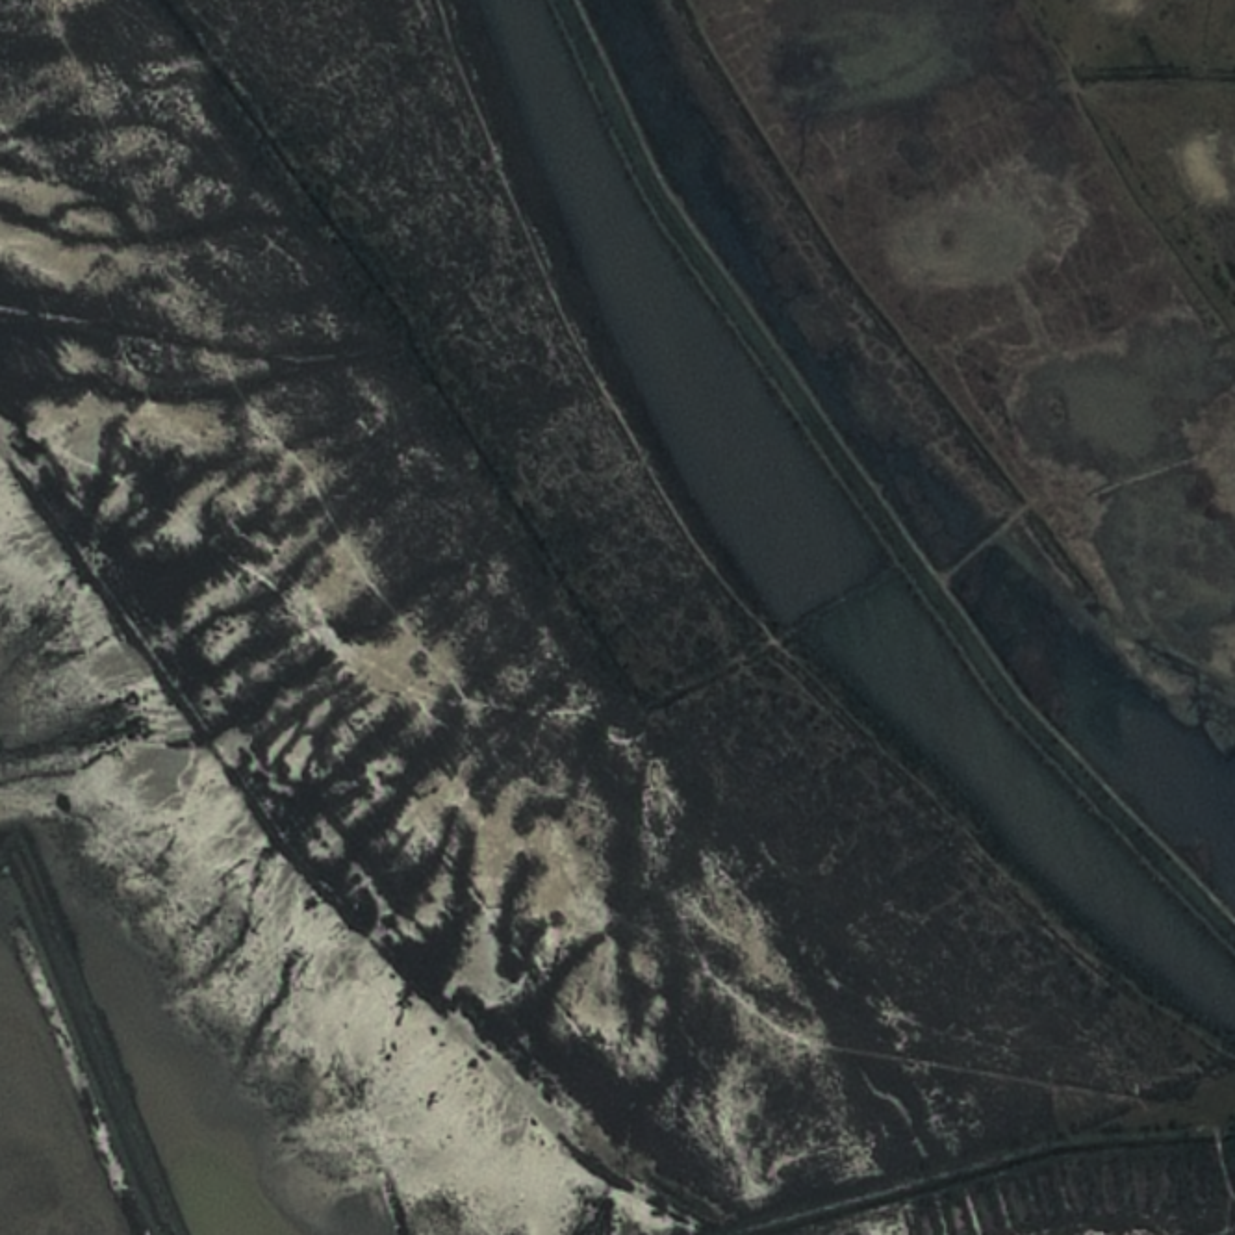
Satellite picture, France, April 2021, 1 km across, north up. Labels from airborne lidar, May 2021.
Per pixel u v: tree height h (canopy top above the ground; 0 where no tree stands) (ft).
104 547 0
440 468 0
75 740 0
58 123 0
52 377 0
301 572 0
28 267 0
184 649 0
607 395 0
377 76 0
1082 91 0
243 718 0
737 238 0
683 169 0
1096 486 0
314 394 0
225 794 0
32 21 0
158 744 0
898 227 0
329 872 0
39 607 0
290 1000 0
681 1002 0
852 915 0
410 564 0
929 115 0
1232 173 0
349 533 0
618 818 0
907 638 0
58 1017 0
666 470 0
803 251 0
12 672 0
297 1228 0
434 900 0
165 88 0
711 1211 0
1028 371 0
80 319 0
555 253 0
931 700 0
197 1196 0
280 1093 0
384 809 0
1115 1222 0
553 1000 0
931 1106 0
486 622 0
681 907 0
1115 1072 0
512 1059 0
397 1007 0
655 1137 0
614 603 0
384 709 0
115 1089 0
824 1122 0
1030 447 0
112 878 0
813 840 0
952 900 0
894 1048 0
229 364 0
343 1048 0
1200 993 0
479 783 0
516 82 0
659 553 0
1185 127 0
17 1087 0
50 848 0
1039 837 0
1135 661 0
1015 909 0
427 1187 0
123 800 0
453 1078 0
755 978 0
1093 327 0
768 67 0
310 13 0
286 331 0
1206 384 0
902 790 0
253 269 0
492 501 0
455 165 0
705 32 0
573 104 0
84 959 0
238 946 0
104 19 0
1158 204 0
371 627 0
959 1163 0
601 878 0
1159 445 0
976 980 0
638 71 0
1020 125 0
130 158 0
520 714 0
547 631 0
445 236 0
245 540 0
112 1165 0
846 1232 0
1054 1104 0
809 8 0
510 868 0
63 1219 0
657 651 0
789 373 0
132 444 0
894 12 0
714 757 0
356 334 0
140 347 0
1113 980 19
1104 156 0
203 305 0
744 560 0
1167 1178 0
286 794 0
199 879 0
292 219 0
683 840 0
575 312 0
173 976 0
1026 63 0
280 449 0
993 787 0
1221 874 0
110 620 0
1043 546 0
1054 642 0
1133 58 0
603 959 0
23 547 0
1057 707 0
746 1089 0
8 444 0
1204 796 0
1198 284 0
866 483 0
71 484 0
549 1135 0
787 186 0
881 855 0
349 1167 0
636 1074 0
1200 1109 0
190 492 0
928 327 0
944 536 0
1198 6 0
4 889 0
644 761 0
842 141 0
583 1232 0
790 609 0
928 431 0
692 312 0
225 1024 0
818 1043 0
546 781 0
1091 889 0
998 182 0
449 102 0
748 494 0
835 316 0
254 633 0
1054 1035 0
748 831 0
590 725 0
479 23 0
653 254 0
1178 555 0
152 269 0
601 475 0
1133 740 0
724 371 0
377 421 0
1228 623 0
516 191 0
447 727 0
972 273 0
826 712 0
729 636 0
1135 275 0
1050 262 0
